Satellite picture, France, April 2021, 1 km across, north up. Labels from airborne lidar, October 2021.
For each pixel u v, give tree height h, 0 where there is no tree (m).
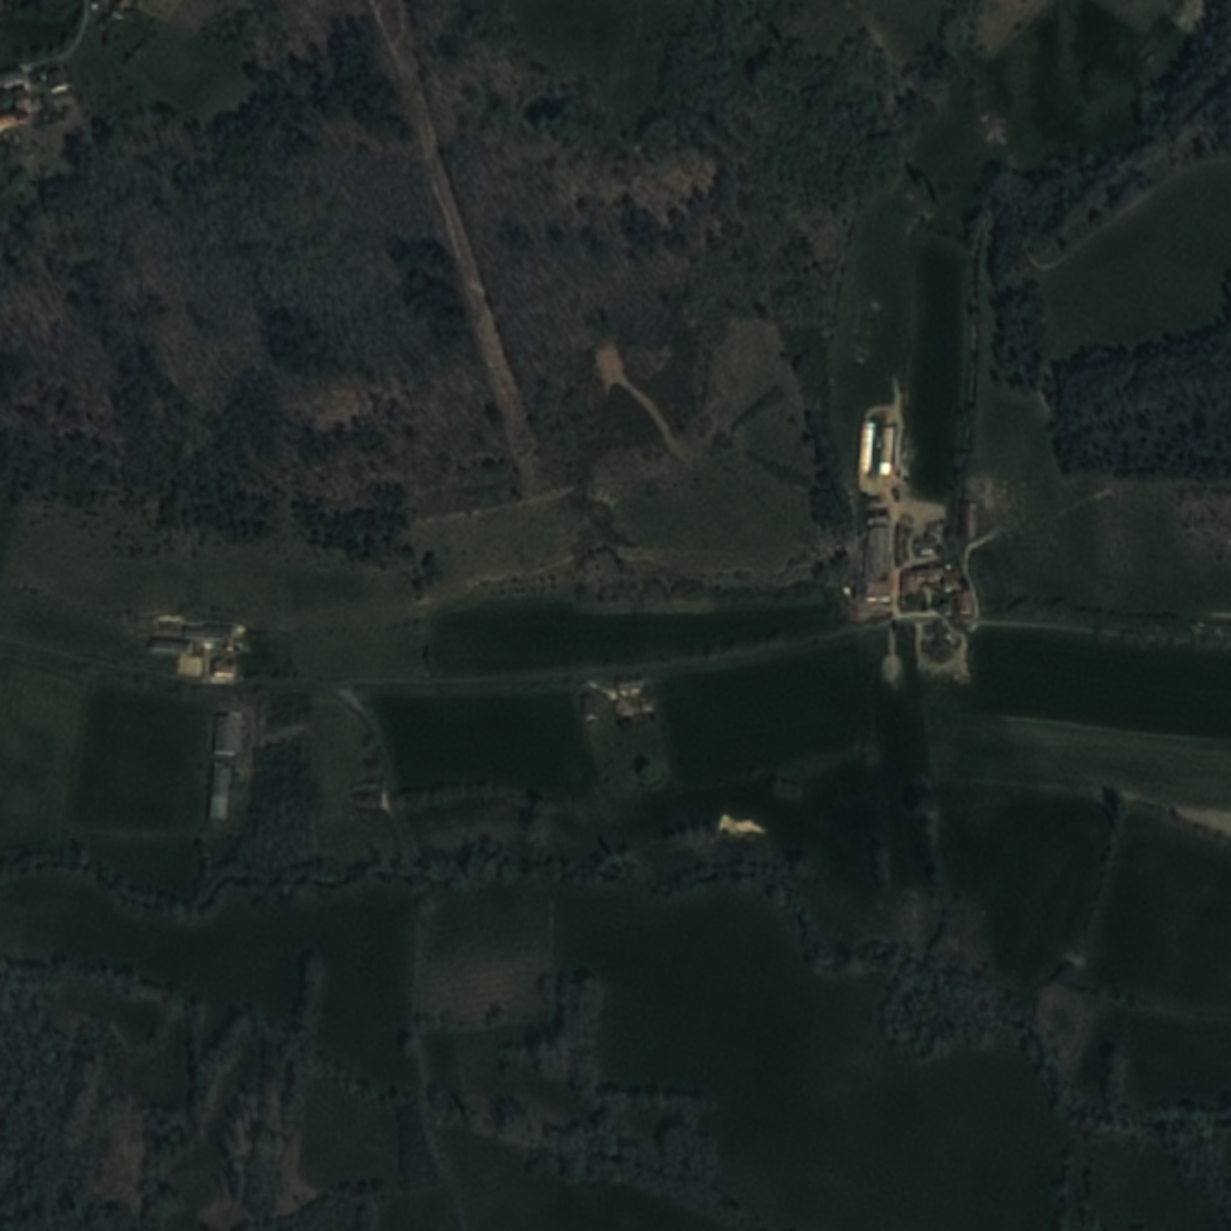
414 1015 0
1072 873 0
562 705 0
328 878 12
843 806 0
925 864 0
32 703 0
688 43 17
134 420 22
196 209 26
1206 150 10
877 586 0
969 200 0
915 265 0
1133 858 0
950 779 0
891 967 12
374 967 0
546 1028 0
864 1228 0
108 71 0
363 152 15
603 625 0
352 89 21
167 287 20
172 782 0
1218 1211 6
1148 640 10
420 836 0
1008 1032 9
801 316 15
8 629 0
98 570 0
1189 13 0
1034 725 0
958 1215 0
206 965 0
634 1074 0
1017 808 0
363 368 20
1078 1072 0
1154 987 0
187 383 16
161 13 0
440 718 0
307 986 14
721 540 0
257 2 19
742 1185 0
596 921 0
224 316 24
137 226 18
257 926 0
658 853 0
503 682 0
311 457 21
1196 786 0
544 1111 0
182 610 7
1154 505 0
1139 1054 0
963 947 0
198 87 0
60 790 0
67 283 24
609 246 16
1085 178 13
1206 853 0
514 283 19
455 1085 0
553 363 20
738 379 0
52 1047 19
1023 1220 0
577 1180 23
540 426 22
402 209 10
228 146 22
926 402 0
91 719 0
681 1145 19
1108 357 15
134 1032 0
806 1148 0
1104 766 0
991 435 0
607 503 0
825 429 6
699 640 0
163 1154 26
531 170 13
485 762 0
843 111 19
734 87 20
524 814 0
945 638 10
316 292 21
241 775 0
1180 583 0
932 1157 0
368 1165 0
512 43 17
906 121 19
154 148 20
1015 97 0
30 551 0
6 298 21
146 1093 0
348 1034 0
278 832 15
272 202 22
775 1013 0
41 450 16
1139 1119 6
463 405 17
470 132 20
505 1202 0
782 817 0
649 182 18
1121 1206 0
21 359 15
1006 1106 0
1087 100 0
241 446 23
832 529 13
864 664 0
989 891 0
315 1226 12
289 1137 9
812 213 13
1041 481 0
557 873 13
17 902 0
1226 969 0
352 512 9
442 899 8
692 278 12
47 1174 20
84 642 0
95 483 19
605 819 0
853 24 0
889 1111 0
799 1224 0
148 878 0
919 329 0
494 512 0
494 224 22
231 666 0
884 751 0
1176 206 0
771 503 0
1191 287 0
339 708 0
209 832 0
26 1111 15
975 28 14
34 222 15
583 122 15
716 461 0
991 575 0
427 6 12
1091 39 0
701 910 0
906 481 0
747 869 8
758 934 0
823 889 0
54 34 0
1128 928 0
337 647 0
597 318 21
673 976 0
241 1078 0
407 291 16
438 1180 9
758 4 24
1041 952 0
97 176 21
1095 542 0
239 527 9
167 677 0
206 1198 0
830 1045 0
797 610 0
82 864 21
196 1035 9
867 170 23
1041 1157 0
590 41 0
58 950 0
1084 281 0
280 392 25
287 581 0
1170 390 23
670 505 0
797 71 23
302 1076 15
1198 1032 0
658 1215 0
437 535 0
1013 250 19
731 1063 0
